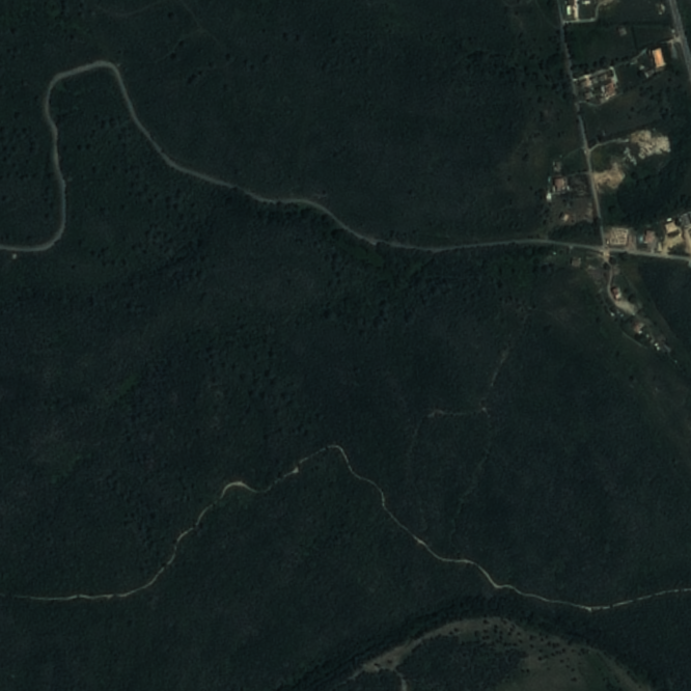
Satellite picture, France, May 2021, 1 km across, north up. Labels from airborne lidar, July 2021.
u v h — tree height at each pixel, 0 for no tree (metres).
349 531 8
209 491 8
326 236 12
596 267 0
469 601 19
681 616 6
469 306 7
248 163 5
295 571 8
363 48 10
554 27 0
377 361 6
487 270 13
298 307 12
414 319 17
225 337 10
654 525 6
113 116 7
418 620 11
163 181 8
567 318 0
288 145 5
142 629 7
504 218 8
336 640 6
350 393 5
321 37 7
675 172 6
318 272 6
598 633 19
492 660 8
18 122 7
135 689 8
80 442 9
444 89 6
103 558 6
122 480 10
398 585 9
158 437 7
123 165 8
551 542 6
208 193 11
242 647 6
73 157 6
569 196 7
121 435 10
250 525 7
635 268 0
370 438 7
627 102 0
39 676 7
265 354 7
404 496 8
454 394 6
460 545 6
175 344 14
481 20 6
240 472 6
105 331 9
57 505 9
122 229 6
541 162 0
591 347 0
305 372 5
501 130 7
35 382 8
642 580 7
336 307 7
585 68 9
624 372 0
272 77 7
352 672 9
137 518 15
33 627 7
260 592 6
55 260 6
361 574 6
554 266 12
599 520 6
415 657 9
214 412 7
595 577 6
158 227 14
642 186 9
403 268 12
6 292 7
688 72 0
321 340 6
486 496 6
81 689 6
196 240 7
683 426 0
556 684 0
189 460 7
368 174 5
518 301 9
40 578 7
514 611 12
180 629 7
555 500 6
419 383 7
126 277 13
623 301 0
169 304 6
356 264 12
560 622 20
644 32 0
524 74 14
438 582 8
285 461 6
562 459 6
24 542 10
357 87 7
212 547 6
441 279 10
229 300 6
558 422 6
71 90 7
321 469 9
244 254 7
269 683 8
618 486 6
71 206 7
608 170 0
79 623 7
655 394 0
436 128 8
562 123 0
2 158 5
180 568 9
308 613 8
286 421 5
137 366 9
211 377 7
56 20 8
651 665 9
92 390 8
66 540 13
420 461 8
